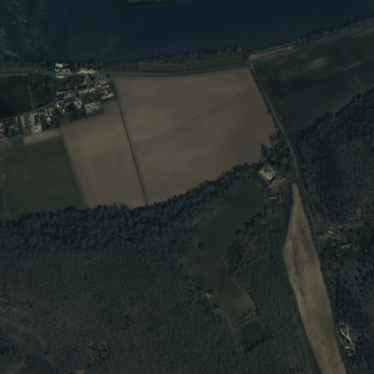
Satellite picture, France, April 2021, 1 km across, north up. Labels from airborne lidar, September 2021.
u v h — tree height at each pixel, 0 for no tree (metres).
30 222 28
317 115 0
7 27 0
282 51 0
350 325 8
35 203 0
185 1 0
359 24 22
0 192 0
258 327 0
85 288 15
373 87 0
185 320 22
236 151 0
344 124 8
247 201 0
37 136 0
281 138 20
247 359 20
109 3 0
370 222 17
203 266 0
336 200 22
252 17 0
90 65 6
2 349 11
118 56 0
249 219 0
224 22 0
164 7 0
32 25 0
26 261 16
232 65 0
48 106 8
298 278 0
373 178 20
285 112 0
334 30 16
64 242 12
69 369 10
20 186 0
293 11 0
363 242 0
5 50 0
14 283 14
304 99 0
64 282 18
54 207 0
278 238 21
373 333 11
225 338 22
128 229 19
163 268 23
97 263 15
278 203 8
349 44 0
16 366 16
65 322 14
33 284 15
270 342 20
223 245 0
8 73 0
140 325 15
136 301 11
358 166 18
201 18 0
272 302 18
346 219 11
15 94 0
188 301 22
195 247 0
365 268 12
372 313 13
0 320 17
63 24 0
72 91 8
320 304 0
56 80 6
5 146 0
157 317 13
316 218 0
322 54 0
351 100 0
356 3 0
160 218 23
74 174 0
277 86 0
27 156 0
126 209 22
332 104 0
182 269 22
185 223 22
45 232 13
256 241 20
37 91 8
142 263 15
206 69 0
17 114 0
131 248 14
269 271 21
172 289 23
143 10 0
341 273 13
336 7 0
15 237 27
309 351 0
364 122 15
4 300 12
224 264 0
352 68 0
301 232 0
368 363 15
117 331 15
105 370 13
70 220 8
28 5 0
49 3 0
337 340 11
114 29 0
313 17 0
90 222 22
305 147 17
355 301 12
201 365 18
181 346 14
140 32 0
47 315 15
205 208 21
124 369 14
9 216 0
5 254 20
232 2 0
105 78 0
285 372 18
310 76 0
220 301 0
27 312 16
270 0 0
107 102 7
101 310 13
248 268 19
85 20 0
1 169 0
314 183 15
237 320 0
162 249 23
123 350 14
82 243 22
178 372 16
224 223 0
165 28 0
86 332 14
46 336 16
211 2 0
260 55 0
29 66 14
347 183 12
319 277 0
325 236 12
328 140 15
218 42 0
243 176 27
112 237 27
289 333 16
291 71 0
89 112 0
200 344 20
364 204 17
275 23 0
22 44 0
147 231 18
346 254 0
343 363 10
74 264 17
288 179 25
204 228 0
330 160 17
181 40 0
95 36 0
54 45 0
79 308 13
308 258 0
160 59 18
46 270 16
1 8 0
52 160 0
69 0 0
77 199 0
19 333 0
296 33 0
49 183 0
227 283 0
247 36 0
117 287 12
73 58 0
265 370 19
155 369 16
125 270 9
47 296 15
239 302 0
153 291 17
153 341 12
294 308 15
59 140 0
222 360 23
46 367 6
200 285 0
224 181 21
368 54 0
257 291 23
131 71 17
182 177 0
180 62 6
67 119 0
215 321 21
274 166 19
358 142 12
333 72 0
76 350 12
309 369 16
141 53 0
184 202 23
